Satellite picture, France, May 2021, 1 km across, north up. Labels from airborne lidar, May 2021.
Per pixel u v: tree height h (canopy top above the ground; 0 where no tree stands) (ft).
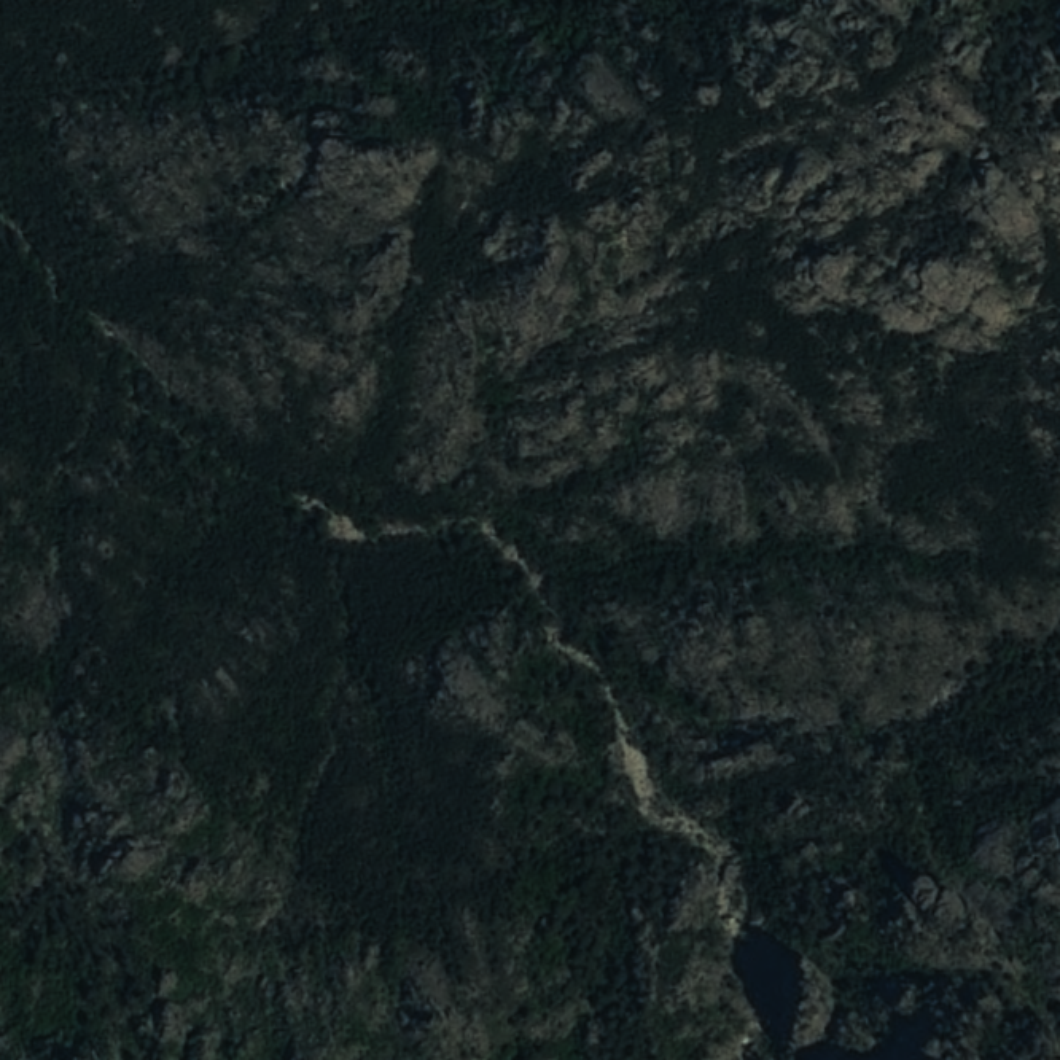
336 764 32
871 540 54
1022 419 36
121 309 32
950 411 33
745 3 33
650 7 21
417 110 24
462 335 24
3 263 62
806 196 33
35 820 75
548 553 42
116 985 22
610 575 47
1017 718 45
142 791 21
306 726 49
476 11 21
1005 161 58
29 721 23
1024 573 27
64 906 71
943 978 41
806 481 25
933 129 21
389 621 51
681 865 56
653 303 36
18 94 52
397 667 46
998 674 68
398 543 48
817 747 37
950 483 35
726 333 27
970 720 28
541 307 51
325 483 33
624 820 76
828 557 53
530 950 33
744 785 42
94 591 29
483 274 31
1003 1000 52
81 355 35
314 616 23
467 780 26
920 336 38
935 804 55
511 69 37
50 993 37
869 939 35
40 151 32
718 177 29
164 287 48
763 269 48
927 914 25
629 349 36
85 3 39
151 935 28
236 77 27
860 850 23
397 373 19
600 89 0
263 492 56
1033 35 102
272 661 31
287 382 22
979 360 49
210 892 21
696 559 57
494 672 23
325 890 35
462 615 51
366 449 40
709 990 26
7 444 44
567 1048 37
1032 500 24
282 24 52
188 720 33
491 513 30
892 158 39
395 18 58
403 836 30
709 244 34
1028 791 47
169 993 37
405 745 38
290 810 31
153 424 57
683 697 28
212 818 22
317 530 74
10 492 32
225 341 22
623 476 33
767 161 40
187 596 49
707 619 29
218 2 24
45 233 34
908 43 44
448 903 23
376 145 48
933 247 61
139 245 37
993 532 31
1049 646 28
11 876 27
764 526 54
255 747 26
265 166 19
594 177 25
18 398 53
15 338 42
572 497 60
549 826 22
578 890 94
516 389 53
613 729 23
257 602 19
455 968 26
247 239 46
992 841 0
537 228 41
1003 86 73
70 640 33
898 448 32
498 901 38
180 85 84
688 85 36
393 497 54
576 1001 31
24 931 77
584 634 68
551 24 39
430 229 38
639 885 70
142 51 50
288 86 34
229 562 28
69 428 48
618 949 28
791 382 32
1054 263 36
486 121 36
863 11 41
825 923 74
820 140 23
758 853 39
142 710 31
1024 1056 56
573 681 71
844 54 30
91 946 36
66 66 25
